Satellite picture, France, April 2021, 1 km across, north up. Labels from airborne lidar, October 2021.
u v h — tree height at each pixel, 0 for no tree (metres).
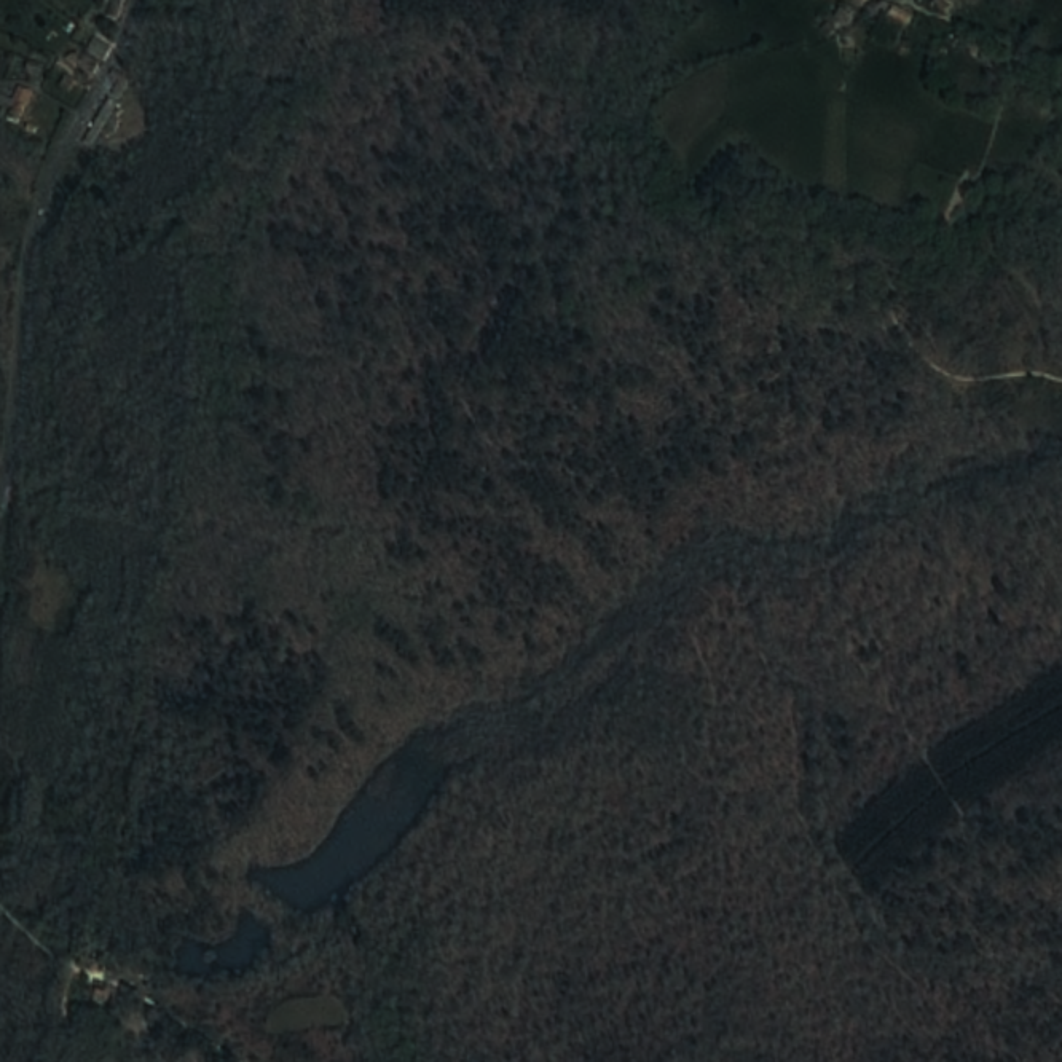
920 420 14
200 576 13
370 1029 19
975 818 10
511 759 8
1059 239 14
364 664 19
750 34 0
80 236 28
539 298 23
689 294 7
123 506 11
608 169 18
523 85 14
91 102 0
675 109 0
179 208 21
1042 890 12
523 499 14
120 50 0
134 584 14
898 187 0
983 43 21
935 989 10
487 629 14
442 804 19
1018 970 14
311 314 16
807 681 8
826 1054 6
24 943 9
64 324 21
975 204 19
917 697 12
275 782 13
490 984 15
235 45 29
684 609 8
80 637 17
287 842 18
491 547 15
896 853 9
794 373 12
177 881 16
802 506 14
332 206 8
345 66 19
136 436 25
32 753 15
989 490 18
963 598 6
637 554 13
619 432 16
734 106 0
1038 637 14
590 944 9
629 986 18
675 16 21
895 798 12
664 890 9
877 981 6
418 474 14
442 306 24
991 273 11
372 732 15
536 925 12
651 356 12
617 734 10
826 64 0
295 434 18
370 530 12
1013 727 8
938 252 19
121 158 10
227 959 0
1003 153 0
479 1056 11
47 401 18
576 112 13
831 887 7
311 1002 0
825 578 19
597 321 17
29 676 15
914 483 20
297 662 17
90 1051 18
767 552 15
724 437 9
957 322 8
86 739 24
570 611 9
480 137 13
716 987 14
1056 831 18
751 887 14
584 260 18
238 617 9
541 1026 13
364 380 10
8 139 24
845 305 16
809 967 15
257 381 20
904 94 0
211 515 20
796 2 0
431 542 13
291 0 25
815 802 15
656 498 16
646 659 9
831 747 17
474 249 7
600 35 19
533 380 8
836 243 18
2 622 14
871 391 8
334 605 18
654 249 12
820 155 0
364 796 0
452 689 9
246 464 17
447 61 10
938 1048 9
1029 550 13
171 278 14
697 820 12
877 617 13
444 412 20
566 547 11
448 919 13
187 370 28
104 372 18
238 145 17
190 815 18
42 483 26
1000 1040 13
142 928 20
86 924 22
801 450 13
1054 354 21
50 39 0
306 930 19
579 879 9
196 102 19
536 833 11
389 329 18
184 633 18
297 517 18
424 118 9
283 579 13
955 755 11
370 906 13
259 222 11
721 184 23
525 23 24
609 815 6
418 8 24
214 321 16
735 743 8
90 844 17
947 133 0
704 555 10
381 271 8
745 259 14
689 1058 9
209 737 16
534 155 9
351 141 12
